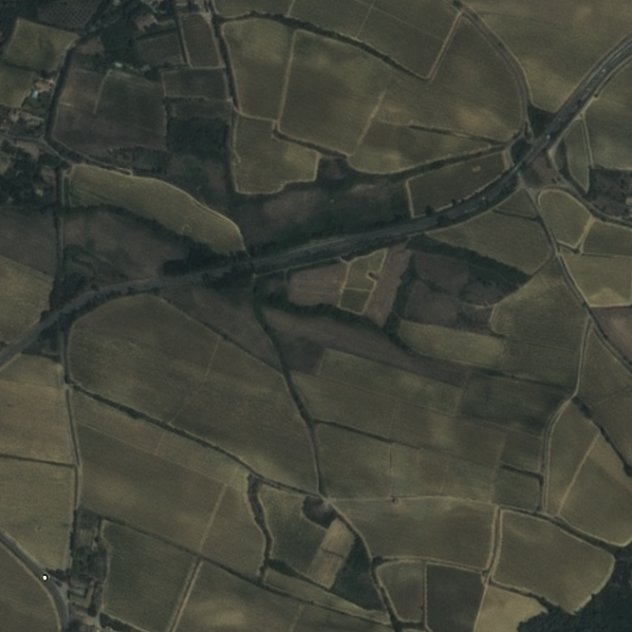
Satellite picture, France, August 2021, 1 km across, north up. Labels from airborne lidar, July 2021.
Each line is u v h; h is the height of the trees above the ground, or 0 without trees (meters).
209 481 0
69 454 0
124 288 0
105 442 0
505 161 0
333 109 0
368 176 7
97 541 9
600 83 0
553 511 0
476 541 0
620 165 0
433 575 0
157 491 0
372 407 0
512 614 0
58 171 12
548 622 8
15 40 0
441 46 0
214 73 0
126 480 0
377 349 0
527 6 0
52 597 0
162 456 0
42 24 6
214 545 0
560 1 0
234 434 0
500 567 0
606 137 0
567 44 0
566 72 0
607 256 0
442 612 0
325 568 0
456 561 0
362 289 0
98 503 0
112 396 0
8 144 10
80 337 0
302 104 0
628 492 0
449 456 0
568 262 0
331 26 0
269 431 0
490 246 0
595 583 0
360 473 0
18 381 0
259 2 0
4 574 0
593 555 0
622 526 0
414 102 0
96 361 0
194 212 0
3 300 0
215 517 0
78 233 0
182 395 0
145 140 0
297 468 0
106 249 0
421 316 0
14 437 0
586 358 0
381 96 0
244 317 0
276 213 0
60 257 11
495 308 0
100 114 0
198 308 0
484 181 0
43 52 0
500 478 0
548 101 0
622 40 0
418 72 0
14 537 0
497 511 0
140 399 0
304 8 0
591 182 7
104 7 8
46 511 0
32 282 0
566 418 0
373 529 0
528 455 0
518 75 0
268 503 0
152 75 11
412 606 0
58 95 10
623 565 6
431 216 16
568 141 0
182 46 7
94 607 7
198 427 0
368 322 7
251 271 8
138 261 0
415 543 0
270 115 0
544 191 0
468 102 0
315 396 0
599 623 12
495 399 0
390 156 0
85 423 0
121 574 0
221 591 0
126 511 0
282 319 0
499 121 0
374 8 0
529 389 0
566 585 0
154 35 7
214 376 0
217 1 0
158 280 0
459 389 0
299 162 0
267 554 7
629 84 0
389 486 0
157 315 0
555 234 0
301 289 0
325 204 0
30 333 0
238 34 0
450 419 0
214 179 0
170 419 0
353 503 0
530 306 0
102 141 0
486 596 0
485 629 0
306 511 9
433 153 0
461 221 6
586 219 0
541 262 0
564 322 0
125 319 0
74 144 0
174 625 0
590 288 0
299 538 0
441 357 0
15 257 0
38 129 10
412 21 0
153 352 0
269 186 0
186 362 0
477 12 0
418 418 0
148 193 0
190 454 0
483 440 0
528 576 0
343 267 0
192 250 8
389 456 0
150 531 0
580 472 0
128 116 0
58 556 0
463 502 0
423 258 0
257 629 0
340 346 0
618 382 0
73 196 0
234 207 6
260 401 0
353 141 0
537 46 0
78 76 0
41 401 0
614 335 0
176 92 0
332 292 0
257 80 0
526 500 0
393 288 0
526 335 0
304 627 0
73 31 8
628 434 0
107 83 0
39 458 0
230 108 0
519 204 0
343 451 0
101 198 0
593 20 0
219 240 0
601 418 0
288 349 0
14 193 13
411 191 0
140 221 10
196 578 0
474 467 0
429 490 0
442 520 0
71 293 10
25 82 0
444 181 0
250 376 0
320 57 0
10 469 0
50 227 0
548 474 0
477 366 0
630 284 0
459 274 0
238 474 0
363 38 0
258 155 0
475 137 0
